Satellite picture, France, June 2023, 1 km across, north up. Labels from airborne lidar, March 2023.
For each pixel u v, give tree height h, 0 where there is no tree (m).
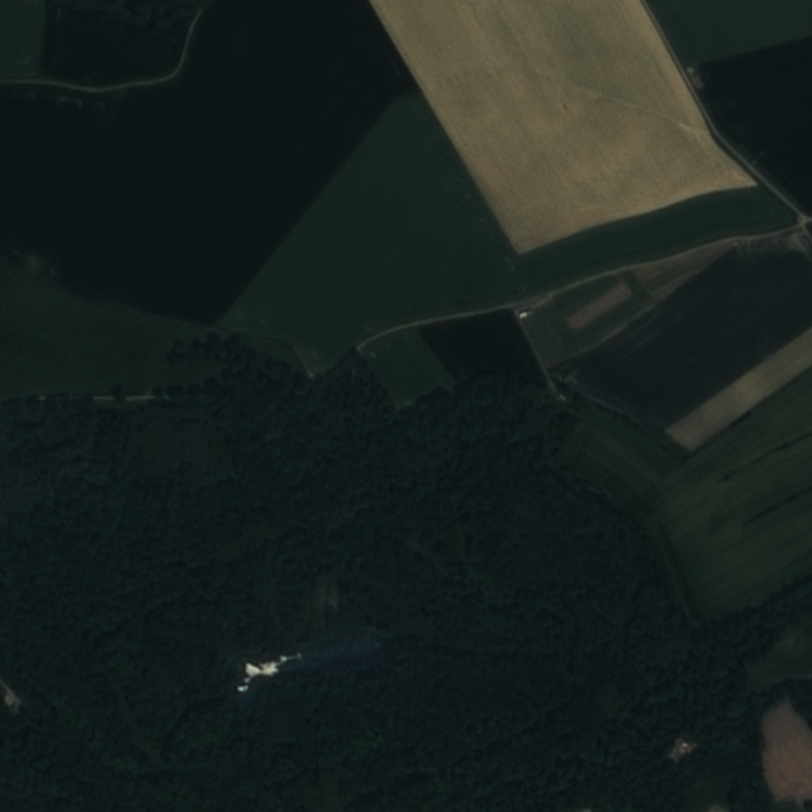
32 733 17
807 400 0
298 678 15
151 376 0
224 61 0
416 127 0
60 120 0
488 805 24
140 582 15
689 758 8
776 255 0
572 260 0
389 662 17
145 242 0
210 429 7
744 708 22
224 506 15
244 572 20
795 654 0
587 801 17
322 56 0
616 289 0
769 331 0
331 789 0
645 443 0
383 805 22
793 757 0
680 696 20
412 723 21
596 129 0
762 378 0
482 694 18
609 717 28
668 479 0
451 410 27
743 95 0
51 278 0
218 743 17
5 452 7
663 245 0
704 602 0
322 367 0
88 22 0
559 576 17
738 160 0
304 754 20
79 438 14
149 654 22
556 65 0
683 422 0
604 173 0
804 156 0
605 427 0
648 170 0
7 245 0
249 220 0
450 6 0
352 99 0
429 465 30
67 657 19
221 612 19
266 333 0
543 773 24
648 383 0
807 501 0
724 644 19
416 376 0
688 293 0
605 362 0
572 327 0
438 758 19
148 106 0
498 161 0
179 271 0
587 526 19
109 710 18
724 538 0
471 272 0
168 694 21
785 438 0
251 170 0
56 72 0
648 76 0
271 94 0
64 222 0
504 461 24
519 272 0
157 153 0
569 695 20
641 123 0
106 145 0
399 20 0
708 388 0
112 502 19
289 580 16
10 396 0
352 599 15
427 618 14
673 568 0
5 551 20
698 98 0
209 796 18
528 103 0
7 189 0
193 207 0
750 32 0
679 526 0
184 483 16
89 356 0
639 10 0
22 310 0
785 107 0
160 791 17
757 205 0
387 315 0
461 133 0
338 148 0
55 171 0
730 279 0
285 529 0
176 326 0
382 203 0
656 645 20
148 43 0
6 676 17
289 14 0
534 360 0
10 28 0
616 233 0
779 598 15
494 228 0
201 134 0
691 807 0
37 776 20
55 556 20
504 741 20
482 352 0
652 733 20
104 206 0
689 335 0
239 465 14
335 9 0
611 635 27
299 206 0
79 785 23
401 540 24
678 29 0
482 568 20
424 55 0
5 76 0
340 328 0
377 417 18
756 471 0
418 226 0
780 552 0
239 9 0
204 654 20
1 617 21
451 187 0
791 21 0
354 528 21
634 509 0
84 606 19
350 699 15
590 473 0
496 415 26
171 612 19
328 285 0
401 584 14
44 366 0
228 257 0
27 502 8
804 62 0
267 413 19
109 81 0
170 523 23
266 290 0
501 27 0
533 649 21
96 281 0
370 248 0
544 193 0
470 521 21
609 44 0
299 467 20
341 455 22
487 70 0
